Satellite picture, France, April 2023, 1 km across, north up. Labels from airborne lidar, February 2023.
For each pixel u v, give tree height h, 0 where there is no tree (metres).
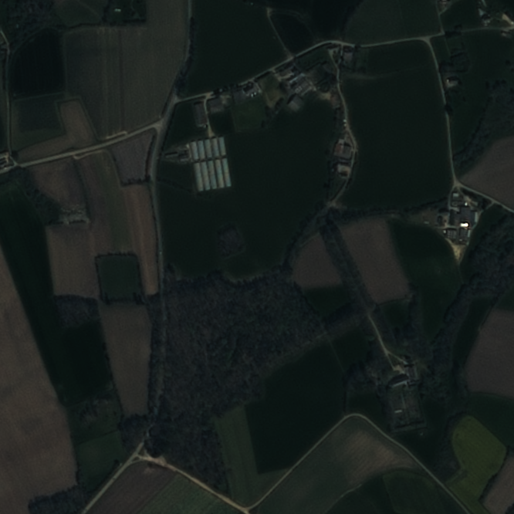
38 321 0
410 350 22
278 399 0
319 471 0
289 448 0
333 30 0
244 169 0
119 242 0
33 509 16
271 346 21
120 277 0
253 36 0
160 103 0
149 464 0
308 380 0
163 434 23
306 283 0
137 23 7
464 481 0
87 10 0
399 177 0
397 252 0
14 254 0
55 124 0
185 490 0
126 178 0
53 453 0
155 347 17
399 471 0
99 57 0
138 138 0
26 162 0
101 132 0
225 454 0
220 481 21
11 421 0
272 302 23
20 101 0
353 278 26
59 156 0
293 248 16
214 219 0
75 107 0
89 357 0
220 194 0
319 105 0
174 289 16
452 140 0
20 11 13
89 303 15
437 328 0
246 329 28
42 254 0
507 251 16
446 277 0
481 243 6
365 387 20
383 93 0
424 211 7
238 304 27
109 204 0
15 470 0
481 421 0
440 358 25
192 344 27
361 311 25
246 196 0
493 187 0
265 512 0
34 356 0
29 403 0
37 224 0
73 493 11
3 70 6
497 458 0
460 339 0
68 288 0
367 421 0
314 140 0
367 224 0
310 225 13
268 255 0
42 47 0
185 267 0
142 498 0
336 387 0
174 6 0
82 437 0
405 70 0
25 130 0
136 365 0
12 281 0
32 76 0
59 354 0
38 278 0
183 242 0
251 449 0
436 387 9
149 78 0
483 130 6
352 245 0
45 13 14
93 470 0
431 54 0
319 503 0
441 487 0
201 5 0
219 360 28
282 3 0
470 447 0
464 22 0
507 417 0
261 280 11
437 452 0
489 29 0
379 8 0
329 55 0
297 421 0
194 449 27
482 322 0
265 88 0
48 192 0
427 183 0
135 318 0
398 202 0
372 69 0
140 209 0
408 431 0
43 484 0
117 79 0
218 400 26
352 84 0
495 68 0
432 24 0
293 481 0
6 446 0
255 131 0
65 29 7
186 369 25
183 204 0
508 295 0
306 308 21
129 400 0
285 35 0
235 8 0
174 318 22
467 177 0
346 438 0
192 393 26
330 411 0
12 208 0
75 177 0
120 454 0
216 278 19
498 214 0
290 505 0
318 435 0
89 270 0
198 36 0
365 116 0
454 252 0
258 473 0
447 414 0
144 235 0
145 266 0
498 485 0
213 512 0
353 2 0
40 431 0
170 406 24
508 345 0
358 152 0
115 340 0
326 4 0
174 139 0
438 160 0
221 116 0
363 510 0
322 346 0
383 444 0
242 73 0
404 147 0
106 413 0
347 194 0
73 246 0
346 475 0
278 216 0
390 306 0
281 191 0
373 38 0
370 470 0
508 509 8
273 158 0
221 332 24
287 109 0
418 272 0
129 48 0
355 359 0
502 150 0
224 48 0
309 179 0
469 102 0
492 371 0
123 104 0
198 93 0
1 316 0
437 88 0
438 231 0
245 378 23
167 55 0
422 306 0
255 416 0
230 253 9
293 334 29
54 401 0
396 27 0
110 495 0
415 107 0
